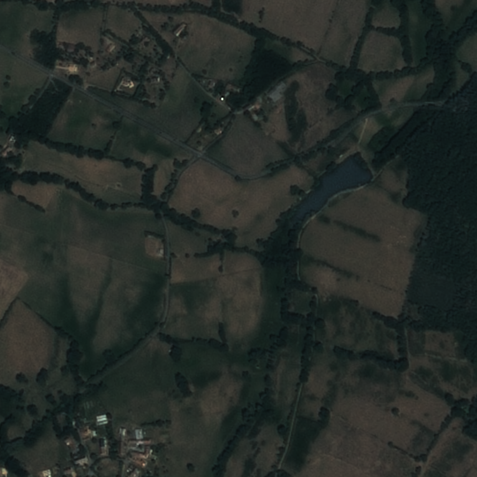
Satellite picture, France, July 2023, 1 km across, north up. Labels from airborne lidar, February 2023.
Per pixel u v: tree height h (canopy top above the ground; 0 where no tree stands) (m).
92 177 0
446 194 11
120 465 6
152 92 0
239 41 0
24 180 15
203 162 0
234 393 0
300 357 0
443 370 0
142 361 0
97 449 0
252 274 0
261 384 0
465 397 0
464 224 9
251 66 8
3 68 0
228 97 10
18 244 0
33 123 12
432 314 10
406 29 12
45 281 0
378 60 0
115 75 0
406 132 15
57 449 0
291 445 0
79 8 17
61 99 7
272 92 0
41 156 0
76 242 0
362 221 0
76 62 10
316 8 0
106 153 6
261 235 0
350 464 0
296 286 18
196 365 0
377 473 0
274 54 8
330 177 0
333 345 0
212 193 0
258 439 0
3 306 0
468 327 14
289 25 0
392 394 0
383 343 0
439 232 15
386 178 0
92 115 0
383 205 0
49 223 0
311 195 0
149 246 0
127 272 0
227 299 0
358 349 0
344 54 0
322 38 0
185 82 0
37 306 0
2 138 0
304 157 12
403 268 0
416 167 13
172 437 0
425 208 10
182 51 0
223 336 14
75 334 0
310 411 0
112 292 0
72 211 0
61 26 0
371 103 7
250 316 0
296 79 0
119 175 0
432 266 6
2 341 0
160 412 0
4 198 0
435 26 13
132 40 9
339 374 0
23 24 0
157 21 0
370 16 12
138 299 0
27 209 0
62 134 0
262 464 0
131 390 0
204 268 0
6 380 0
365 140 0
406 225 0
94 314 0
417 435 0
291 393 0
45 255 0
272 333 0
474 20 17
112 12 0
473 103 17
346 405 0
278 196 0
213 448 0
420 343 0
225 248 16
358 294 0
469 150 17
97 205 13
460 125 18
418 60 0
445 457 0
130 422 0
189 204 0
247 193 0
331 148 11
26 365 0
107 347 0
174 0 0
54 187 0
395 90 0
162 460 0
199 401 0
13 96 0
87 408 0
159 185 0
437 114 14
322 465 0
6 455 8
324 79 0
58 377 0
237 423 0
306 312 0
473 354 19
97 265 0
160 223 0
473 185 14
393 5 17
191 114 0
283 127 0
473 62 0
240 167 0
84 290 0
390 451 0
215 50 0
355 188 0
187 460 0
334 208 0
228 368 0
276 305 0
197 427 0
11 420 15
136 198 0
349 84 0
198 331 0
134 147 0
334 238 0
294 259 19
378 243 0
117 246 0
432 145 14
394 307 0
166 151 0
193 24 0
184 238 0
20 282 0
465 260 13
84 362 0
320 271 0
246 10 0
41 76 0
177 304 0
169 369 0
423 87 0
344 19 0
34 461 0
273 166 12
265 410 17
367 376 0
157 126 0
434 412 0
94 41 0
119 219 0
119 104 0
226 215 0
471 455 0
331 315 0
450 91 13
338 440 0
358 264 0
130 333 0
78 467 7
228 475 0
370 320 0
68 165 0
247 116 11
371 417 0
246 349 0
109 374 0
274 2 0
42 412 0
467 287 12
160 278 0
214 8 11
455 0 0
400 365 21
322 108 0
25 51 0
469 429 16
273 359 20
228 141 0
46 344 0
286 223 7
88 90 0
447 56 17
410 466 0
